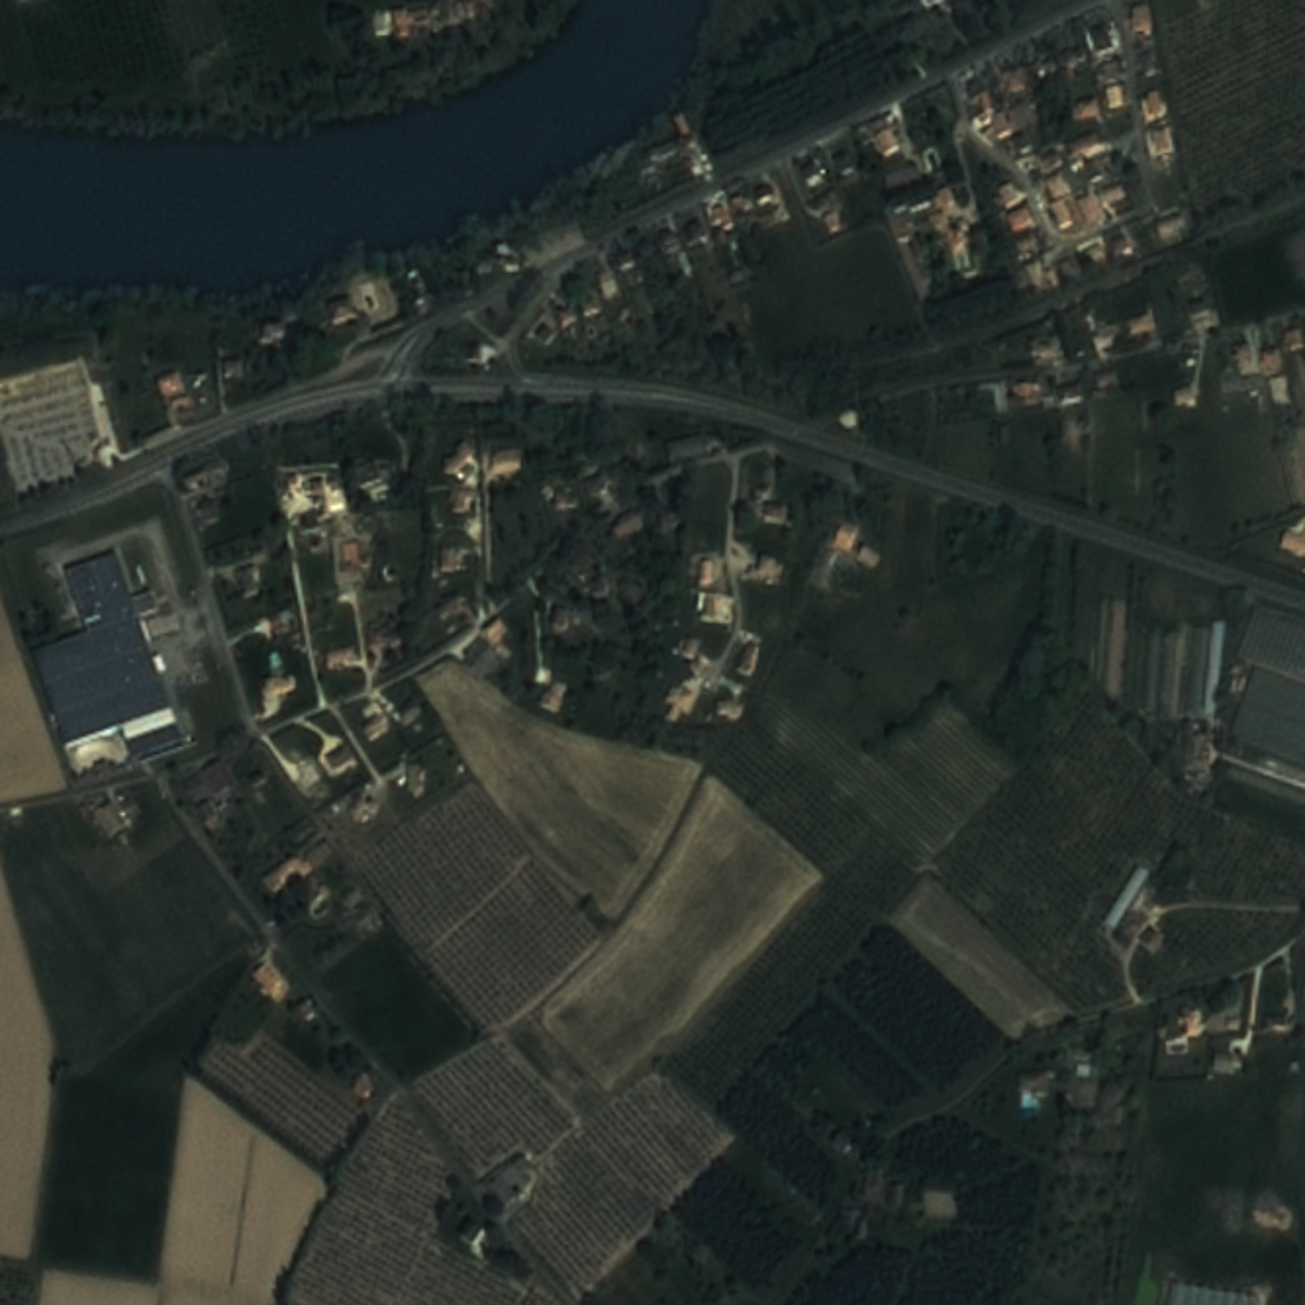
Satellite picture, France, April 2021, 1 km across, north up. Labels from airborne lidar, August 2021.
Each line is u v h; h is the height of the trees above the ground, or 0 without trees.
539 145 0
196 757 0
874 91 14
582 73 0
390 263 21
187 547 0
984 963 0
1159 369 0
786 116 13
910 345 14
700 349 8
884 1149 7
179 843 0
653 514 19
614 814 0
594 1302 7
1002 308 12
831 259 0
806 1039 10
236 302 8
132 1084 0
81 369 0
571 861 0
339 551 0
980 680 0
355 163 0
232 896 0
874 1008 8
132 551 0
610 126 0
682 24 0
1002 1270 10
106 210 0
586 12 0
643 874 0
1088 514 9
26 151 0
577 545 13
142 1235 0
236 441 15
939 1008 9
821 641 0
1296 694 0
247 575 0
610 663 13
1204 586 0
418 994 0
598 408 14
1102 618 0
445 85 11
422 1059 0
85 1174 0
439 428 0
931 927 0
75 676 0
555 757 0
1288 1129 0
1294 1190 0
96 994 0
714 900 0
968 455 0
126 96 0
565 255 0
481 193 0
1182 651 0
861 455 0
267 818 0
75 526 0
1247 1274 0
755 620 0
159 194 0
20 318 15
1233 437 0
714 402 0
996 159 0
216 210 0
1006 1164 10
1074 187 0
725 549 0
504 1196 0
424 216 0
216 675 0
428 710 7
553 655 9
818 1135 10
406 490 22
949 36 19
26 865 0
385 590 0
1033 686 21
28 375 0
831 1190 9
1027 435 0
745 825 0
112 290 17
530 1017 0
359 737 0
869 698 0
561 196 25
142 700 0
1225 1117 0
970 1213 9
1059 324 11
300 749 0
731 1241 12
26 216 0
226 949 0
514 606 14
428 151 0
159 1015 0
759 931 0
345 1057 8
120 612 0
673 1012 0
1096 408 0
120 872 0
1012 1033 0
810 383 19
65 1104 0
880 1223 8
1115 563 0
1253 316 0
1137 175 14
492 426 8
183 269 0
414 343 0
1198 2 0
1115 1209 7
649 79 0
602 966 0
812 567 8
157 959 0
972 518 12
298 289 16
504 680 6
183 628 0
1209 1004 8
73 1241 0
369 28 14
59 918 0
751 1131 10
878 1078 11
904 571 0
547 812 0
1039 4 8
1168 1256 0
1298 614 0
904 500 0
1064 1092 10
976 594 0
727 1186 10
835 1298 10
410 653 8
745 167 0
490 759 0
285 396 0
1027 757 11
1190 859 11
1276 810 0
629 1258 0
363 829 0
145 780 0
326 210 0
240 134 11
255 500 0
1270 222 7
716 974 0
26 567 0
